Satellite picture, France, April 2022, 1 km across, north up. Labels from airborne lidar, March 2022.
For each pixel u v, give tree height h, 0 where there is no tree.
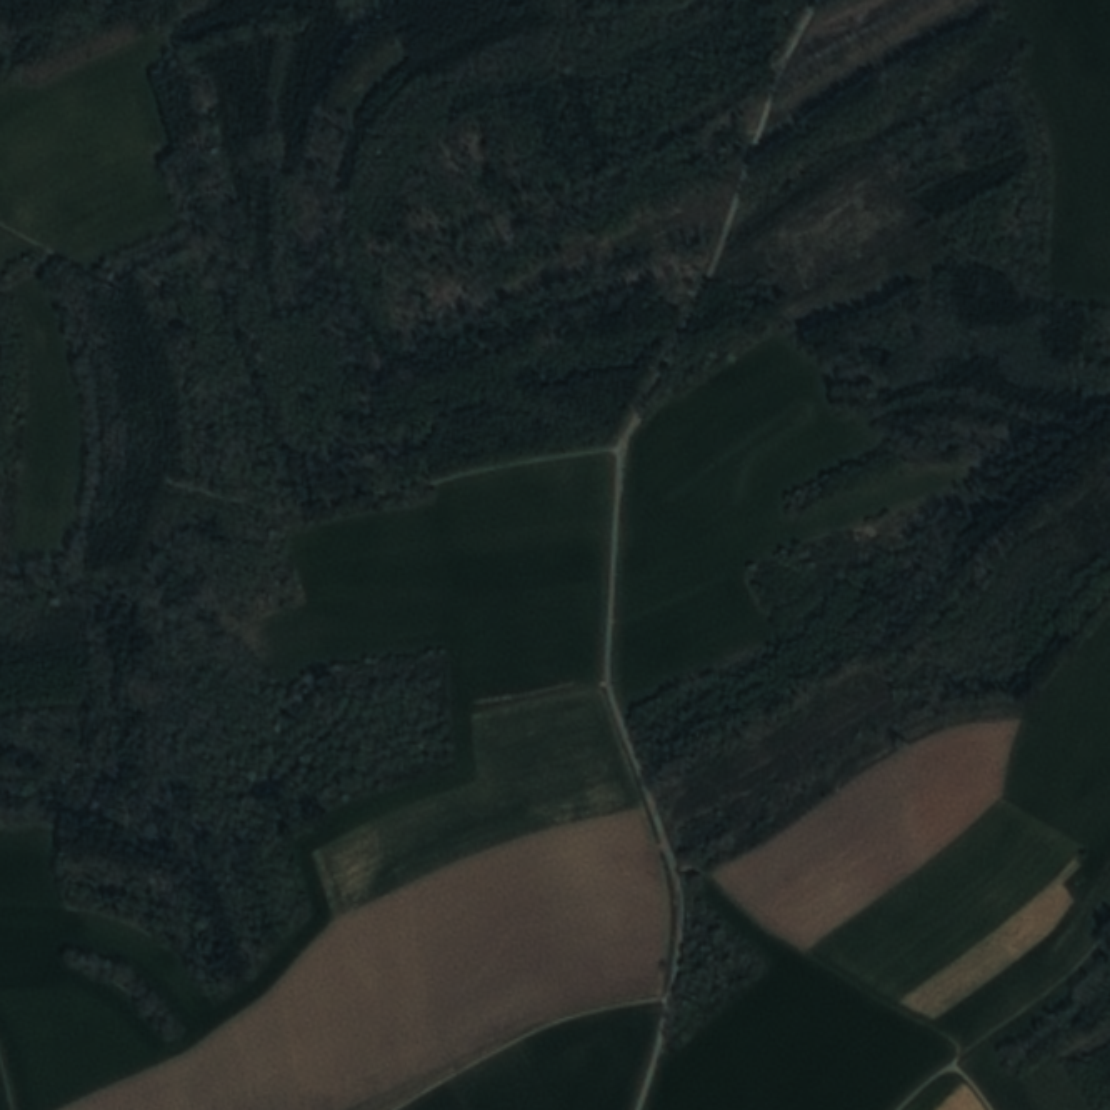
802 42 0
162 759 21
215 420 19
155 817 24
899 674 19
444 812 0
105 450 19
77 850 27
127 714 18
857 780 0
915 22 23
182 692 21
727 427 0
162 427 19
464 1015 0
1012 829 0
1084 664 0
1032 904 0
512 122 16
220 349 20
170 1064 0
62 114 0
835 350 17
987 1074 0
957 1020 0
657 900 0
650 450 0
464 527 0
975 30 19
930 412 13
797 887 0
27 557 0
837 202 0
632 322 19
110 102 0
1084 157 0
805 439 0
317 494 27
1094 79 0
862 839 0
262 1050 0
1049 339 16
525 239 23
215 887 20
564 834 0
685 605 0
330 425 22
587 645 0
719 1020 0
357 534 0
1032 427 12
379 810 0
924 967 0
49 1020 0
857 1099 0
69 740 16
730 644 0
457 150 22
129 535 21
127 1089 0
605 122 16
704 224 0
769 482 0
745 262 0
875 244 0
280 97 12
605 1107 0
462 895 0
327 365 23
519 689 0
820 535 0
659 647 0
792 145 16
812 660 17
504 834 0
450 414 17
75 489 0
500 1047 0
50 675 10
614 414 18
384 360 18
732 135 8
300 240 16
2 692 8
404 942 0
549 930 0
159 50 0
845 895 0
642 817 0
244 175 10
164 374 20
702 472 0
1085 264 0
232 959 21
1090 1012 14
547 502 0
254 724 14
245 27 14
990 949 0
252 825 9
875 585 15
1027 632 12
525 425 16
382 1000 0
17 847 0
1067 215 0
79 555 25
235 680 14
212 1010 0
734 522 0
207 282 18
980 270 14
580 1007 0
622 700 0
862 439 0
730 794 0
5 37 21
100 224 0
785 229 0
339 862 0
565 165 16
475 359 20
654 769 10
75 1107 0
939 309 17
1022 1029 0
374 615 0
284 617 0
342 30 10
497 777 0
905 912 0
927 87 13
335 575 0
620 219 20
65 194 0
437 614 0
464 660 0
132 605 24
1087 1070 13
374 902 0
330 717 12
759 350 0
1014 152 17
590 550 0
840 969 0
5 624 12
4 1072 0
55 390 0
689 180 20
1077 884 0
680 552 0
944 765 0
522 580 0
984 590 14
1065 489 30
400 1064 0
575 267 0
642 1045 0
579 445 14
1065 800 0
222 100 10
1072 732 0
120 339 21
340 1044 0
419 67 8
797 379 0
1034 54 10
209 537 17
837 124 13
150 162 0
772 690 17
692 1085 0
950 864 0
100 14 22
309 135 12
